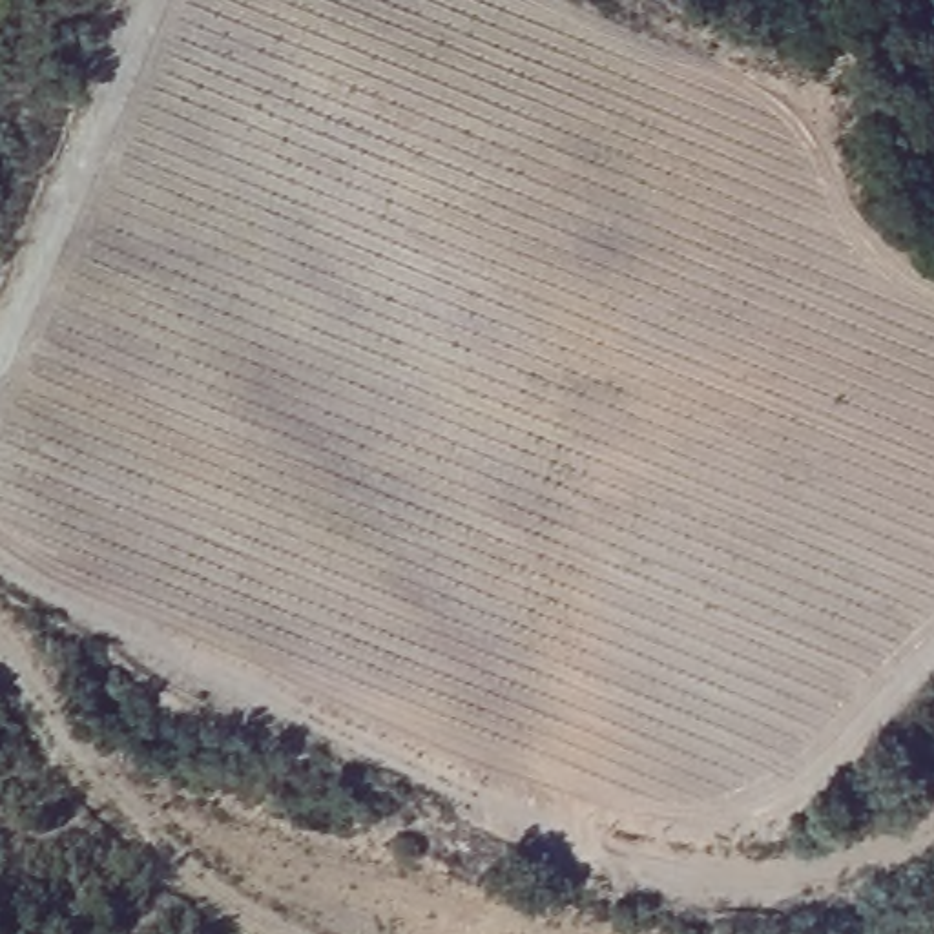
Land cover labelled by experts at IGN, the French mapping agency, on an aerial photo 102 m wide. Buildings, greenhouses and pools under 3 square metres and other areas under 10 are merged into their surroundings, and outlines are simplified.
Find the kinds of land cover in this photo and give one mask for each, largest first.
<instances>
[{"label":"vineyard","instance_id":"1","mask_svg":"<svg viewBox=\"0 0 934 934\"><path fill-rule=\"evenodd\" d=\"M117 73L106 84H91L88 106L73 102L62 131V150L44 168V179L29 204V219L18 226L22 252L0 266V576L26 587L40 602L66 609L84 631L120 638L128 653L139 657V664L164 679V708L190 711L197 704V690H212L215 711L266 708L274 719L288 726H306L314 737L328 741L332 752L347 763H379L405 773L416 784L449 795L467 825L511 839L514 846L518 857L551 868L569 883H584L587 868H595L606 854L602 835H617L620 843H642V835H664L671 843V854H693V843H704L708 857H744L752 839H781L792 828V817L814 803V795L832 781V773L843 763L861 759L872 737L919 697L923 682L934 675V281L923 277L905 252L887 244L865 223L857 208L861 186L846 179L843 153L835 146L839 135L832 91L817 84L806 69L792 77H773L763 69H744L733 62L737 44H730L719 47L711 62H701L682 55L679 47H664L642 33H631L602 18L591 4L576 0H128V18L120 29H113ZM0 664L15 671L22 704H29L40 715L33 737L40 741L44 755L55 766H62L66 777L77 788H84L91 803H117L124 817V835L142 839L150 846H168L171 868L179 872V887L193 898H208L244 934H617L609 923H598L587 912L558 908L525 916L489 898L482 887L452 879L449 865L441 861L394 854L401 821L394 817L358 835H328L277 817L274 806H248L230 792H190L175 788L168 777H161L157 784H131L135 759L124 752H99L95 744H84L69 733L66 708L58 697V668L36 657L29 628H18L7 613H0Z\"/></svg>","mask_w":934,"mask_h":934},{"label":"brushwood","instance_id":"2","mask_svg":"<svg viewBox=\"0 0 934 934\"><path fill-rule=\"evenodd\" d=\"M128 18V0H0V266L22 252L18 226L29 219V204L44 179V168L62 150V131L73 102L88 106L91 84H106L117 73L113 29H120ZM0 613H7L18 628H29L36 657L58 668V697L66 708L69 733L84 744H95L99 752H124L135 759L131 784H157L161 777H168L175 788L190 792H230L248 806H274L277 817L328 835H358L394 817L398 806L412 799L416 784L405 773L379 763H347L332 752L328 741L314 737L306 726H288L274 719L266 708L215 711L212 690H197V704L190 711L164 708V679L139 664V657L128 653L120 638L84 631L66 609L40 602L26 587L0 576ZM40 715L29 704H22L15 671L0 664V934H244L208 898H193L179 887V872L171 868L168 846H150L142 839L124 835V817L117 803H91L84 788H77L66 777L62 766H55L44 755L40 741L33 737ZM558 908L587 912L598 923H609L617 934H934V843L919 857L876 868L850 905L719 901L679 912L657 890H613L609 876L595 868H587L584 883H569L555 901Z\"/></svg>","mask_w":934,"mask_h":934},{"label":"deciduous trees","instance_id":"3","mask_svg":"<svg viewBox=\"0 0 934 934\"><path fill-rule=\"evenodd\" d=\"M675 22L715 29L730 44H737L733 62L744 69H763L773 77H792L806 69L817 84L832 91L839 135L835 146L843 153L846 179L861 186L857 208L865 223L887 244L905 252L923 277L934 281V0H686L675 4ZM934 810V675L923 682L919 697L872 737L861 759L843 763L832 773V781L814 795V803L792 817V828L781 839H752L744 857H825L835 854L843 843H857L865 835H905ZM569 883L551 868L518 857L514 846L485 872L482 887L489 898L525 916L558 908L555 901Z\"/></svg>","mask_w":934,"mask_h":934},{"label":"pervious surface","instance_id":"4","mask_svg":"<svg viewBox=\"0 0 934 934\"><path fill-rule=\"evenodd\" d=\"M934 843V810L905 835H865L857 843H843L835 854L825 857H708L704 843H693V854H671V843L664 835H642V843H620L617 835H602L606 854L595 868L609 876L613 890H657L679 912L719 901L850 905L876 868L919 857Z\"/></svg>","mask_w":934,"mask_h":934},{"label":"herbaceous vegetation","instance_id":"5","mask_svg":"<svg viewBox=\"0 0 934 934\"><path fill-rule=\"evenodd\" d=\"M591 4L602 18L631 33H642L664 47H679L682 55L701 62H711L719 47L730 44L715 29L675 22V4L686 0H576ZM394 817L401 821L394 854L441 861L449 865L452 879L482 887L485 872L514 846L511 839L467 825L449 795L416 784L412 799L398 806Z\"/></svg>","mask_w":934,"mask_h":934}]
</instances>
